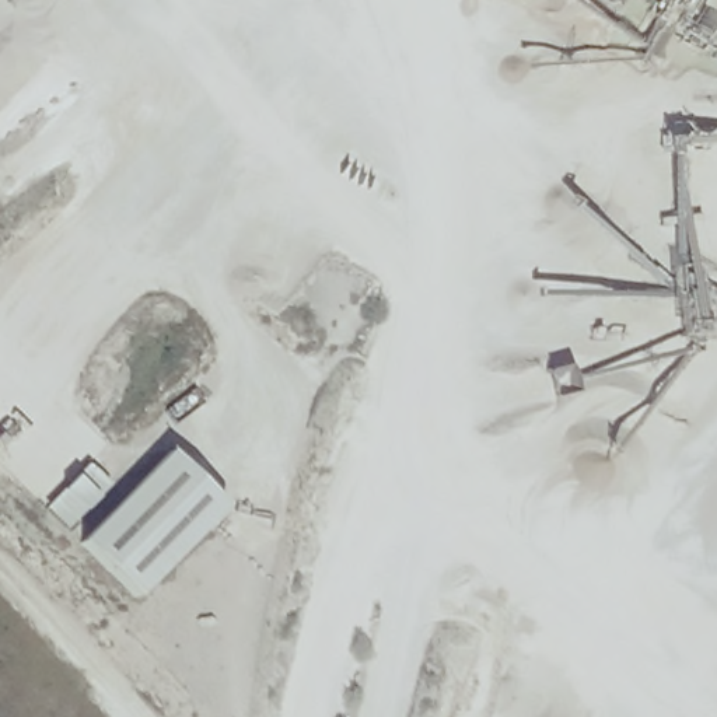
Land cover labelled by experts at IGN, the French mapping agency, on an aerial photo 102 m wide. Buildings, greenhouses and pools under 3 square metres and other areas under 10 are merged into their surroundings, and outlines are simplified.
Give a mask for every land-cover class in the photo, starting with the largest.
<instances>
[{"label":"pervious surface","instance_id":"1","mask_svg":"<svg viewBox=\"0 0 717 717\"><path fill-rule=\"evenodd\" d=\"M658 22H653L647 11V0H0V204L22 193L34 179H42L59 165L70 168V174L76 176V193L64 207L36 210L34 216L22 218L20 227L11 230V238L0 246V473L17 479L36 499H53V510L67 521H81V538H87L174 451L188 454L216 485L224 487L227 482H232L238 487L244 499L235 501L238 515L230 521V529L210 541L196 557H190L174 583L162 585L160 580L132 591L143 594L146 602L123 613H118L112 605L92 602L90 591L59 560L56 552L48 555L53 571H45L39 555H25L20 549L17 529L0 524V594L11 602L14 611L28 616L45 639L53 641L56 653L64 661L84 672L92 689V700L101 706L106 717H406L423 650L437 622L468 625L473 627V636L465 644L443 647L445 681L443 700L434 709V717H717V56L703 53L692 42L669 39L661 56H647ZM146 291H171L188 300L213 328L218 356L210 373H199L193 384H188L182 392L165 401L168 412L157 423L137 429L129 445H118L106 443V437L90 420L81 417L78 401L84 395L76 392V384L92 344ZM381 294L389 311L387 319L375 325L370 330V342L364 344L370 350L367 364L356 370V375L344 384L339 398L333 440L325 448H319L316 457L319 465H330V476H311V482L305 485L302 510L297 515H286L288 485L297 473V462L305 459V415L316 387L325 381V375L342 359H347L344 350H336V344L353 339V330L359 328L361 316L367 297ZM291 305H308L316 322L325 328V342L319 353H297L300 333H294L291 325L283 322V311ZM353 630H364L373 639L370 661H356L350 650Z\"/></svg>","mask_w":717,"mask_h":717},{"label":"herbaceous vegetation","instance_id":"2","mask_svg":"<svg viewBox=\"0 0 717 717\"><path fill-rule=\"evenodd\" d=\"M76 193V176L70 174V168L59 165L42 179H34L22 193L0 204V246L11 238V230L20 227L22 218L34 216L36 210L64 207ZM218 356L213 328L188 300L171 291H146L92 344L76 384V392L84 395L78 401L81 417L90 420L106 437V443L118 445H129L137 429L157 423L168 412L165 401L182 392L188 384H193L199 373H210ZM339 398L328 389L325 381L316 387L305 415V459L297 462V473L288 485L286 515H297L302 510L305 485L311 482V476H330V465H319L316 457L319 448H325L333 440ZM0 524L17 529L20 549L25 555H39L45 571H53L48 555L56 552L59 560L90 591L92 602L112 605L118 613H123L146 602L143 594L132 591L90 555V549L81 552V543L87 538H81V521H67L53 510V499H36L17 479L0 473ZM230 529V521L221 515L216 527L204 532L190 549H185L176 557L174 569L160 580L162 585L174 583L190 557H196L210 541ZM0 717H106L101 706L92 700V689L84 672L64 661L56 653L53 641L45 639L28 616L14 611L11 602L0 594ZM473 636V627L468 625L437 622L423 650L406 717H434V709L443 700L445 681L443 647L465 644Z\"/></svg>","mask_w":717,"mask_h":717},{"label":"building","instance_id":"3","mask_svg":"<svg viewBox=\"0 0 717 717\"><path fill-rule=\"evenodd\" d=\"M244 499L238 487L232 482H227L224 487L216 485L188 454L174 451L87 538L81 543V552L90 549V555L132 591L160 580L174 569L176 557L185 549H190L204 532L216 527L221 515L230 521L238 515L235 501Z\"/></svg>","mask_w":717,"mask_h":717},{"label":"impervious surface","instance_id":"4","mask_svg":"<svg viewBox=\"0 0 717 717\"><path fill-rule=\"evenodd\" d=\"M647 11L653 22H658L647 56H661L669 39L692 42L703 53L717 56V0H647Z\"/></svg>","mask_w":717,"mask_h":717},{"label":"brushwood","instance_id":"5","mask_svg":"<svg viewBox=\"0 0 717 717\"><path fill-rule=\"evenodd\" d=\"M283 322L291 325L294 333H300L297 353H319L325 342V328L316 322L308 305H291L283 311ZM375 325L373 319L361 316L359 328L353 330V339L336 344V350H344L347 359H342L325 375V381L328 389L339 398L344 384L356 375V370L367 364L370 350L364 344L370 342V330Z\"/></svg>","mask_w":717,"mask_h":717},{"label":"deciduous trees","instance_id":"6","mask_svg":"<svg viewBox=\"0 0 717 717\"><path fill-rule=\"evenodd\" d=\"M389 311L381 294L367 297L361 316L373 319L375 325L387 319ZM350 650L356 661H370L373 639L364 630H353Z\"/></svg>","mask_w":717,"mask_h":717}]
</instances>
